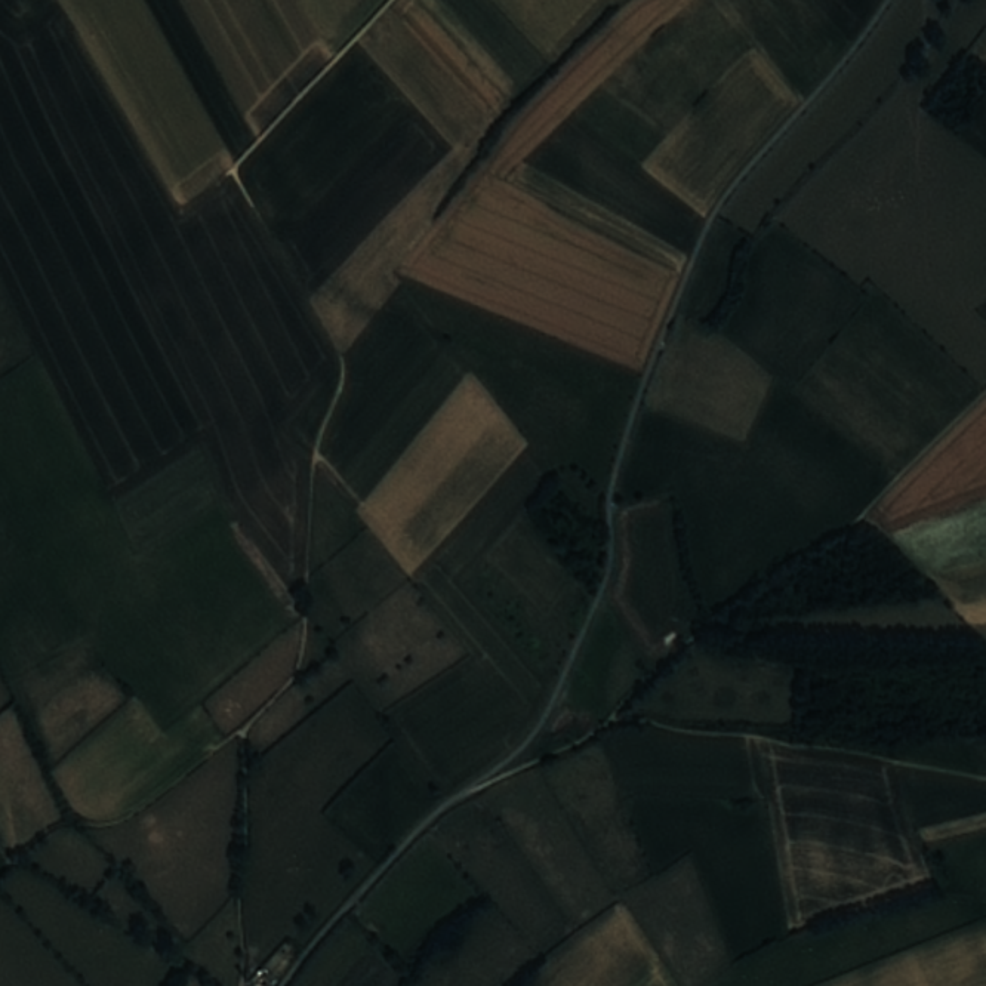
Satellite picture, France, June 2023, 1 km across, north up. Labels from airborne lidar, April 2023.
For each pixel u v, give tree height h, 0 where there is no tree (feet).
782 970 0
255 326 0
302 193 0
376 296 0
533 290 0
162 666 0
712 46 0
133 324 0
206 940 0
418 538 0
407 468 0
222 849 0
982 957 0
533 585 0
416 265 0
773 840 0
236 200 0
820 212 0
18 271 0
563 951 0
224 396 0
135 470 0
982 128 0
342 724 0
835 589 41
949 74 24
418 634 0
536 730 0
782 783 0
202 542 0
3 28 0
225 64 0
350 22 0
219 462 0
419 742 0
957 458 0
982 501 0
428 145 0
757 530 0
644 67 0
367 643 0
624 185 0
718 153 0
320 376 0
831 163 0
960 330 0
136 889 44
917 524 0
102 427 0
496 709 0
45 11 0
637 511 0
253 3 0
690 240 0
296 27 0
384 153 0
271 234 0
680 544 24
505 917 18
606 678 0
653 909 0
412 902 0
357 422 0
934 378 0
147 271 0
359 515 0
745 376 0
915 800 0
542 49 0
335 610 0
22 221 0
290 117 0
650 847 0
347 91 0
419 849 0
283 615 0
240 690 0
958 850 0
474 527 0
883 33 0
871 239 0
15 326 0
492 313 0
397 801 0
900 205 0
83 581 0
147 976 0
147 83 0
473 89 0
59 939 0
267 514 0
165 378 0
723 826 0
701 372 0
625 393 0
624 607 0
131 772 0
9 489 0
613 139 0
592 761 0
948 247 0
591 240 0
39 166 0
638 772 0
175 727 0
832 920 62
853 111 0
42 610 0
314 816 0
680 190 0
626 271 0
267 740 0
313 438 0
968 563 0
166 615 0
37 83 0
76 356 0
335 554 0
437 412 0
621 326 0
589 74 0
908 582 45
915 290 0
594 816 0
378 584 0
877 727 41
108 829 0
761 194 0
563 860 0
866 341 0
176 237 0
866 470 0
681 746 0
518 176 0
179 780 0
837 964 0
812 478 0
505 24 0
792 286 0
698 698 0
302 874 0
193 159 0
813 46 0
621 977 0
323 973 0
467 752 0
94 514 0
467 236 0
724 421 0
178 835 0
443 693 0
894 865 0
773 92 0
